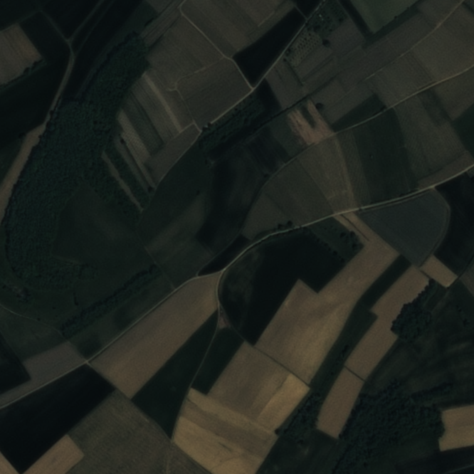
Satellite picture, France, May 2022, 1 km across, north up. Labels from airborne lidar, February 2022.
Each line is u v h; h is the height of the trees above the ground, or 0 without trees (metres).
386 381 0
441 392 16
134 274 0
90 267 11
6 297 0
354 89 0
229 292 0
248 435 0
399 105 0
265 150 0
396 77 0
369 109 0
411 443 0
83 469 0
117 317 0
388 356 0
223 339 0
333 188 0
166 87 0
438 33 0
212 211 0
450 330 0
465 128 0
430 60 0
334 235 0
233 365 0
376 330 0
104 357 0
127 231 0
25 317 0
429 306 0
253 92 0
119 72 14
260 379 0
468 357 0
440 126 0
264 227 0
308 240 0
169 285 0
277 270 0
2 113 0
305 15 0
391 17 0
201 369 0
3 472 0
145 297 0
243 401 0
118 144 0
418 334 14
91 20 0
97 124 14
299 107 0
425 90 0
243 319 0
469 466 0
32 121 0
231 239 0
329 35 0
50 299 0
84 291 0
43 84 0
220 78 0
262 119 0
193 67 0
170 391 0
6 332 0
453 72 0
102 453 0
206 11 0
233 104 0
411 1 0
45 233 16
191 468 0
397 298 0
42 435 0
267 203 0
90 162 13
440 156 0
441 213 0
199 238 0
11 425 0
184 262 0
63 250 0
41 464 0
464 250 0
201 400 0
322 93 0
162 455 0
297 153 0
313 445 0
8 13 0
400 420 18
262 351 0
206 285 0
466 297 0
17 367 0
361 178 0
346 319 0
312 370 0
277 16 0
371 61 0
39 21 0
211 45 0
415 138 0
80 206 0
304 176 0
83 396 0
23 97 0
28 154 0
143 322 0
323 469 0
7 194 0
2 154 0
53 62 0
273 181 0
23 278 23
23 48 0
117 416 0
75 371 0
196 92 0
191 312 0
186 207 0
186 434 0
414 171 0
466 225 0
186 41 0
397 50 0
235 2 0
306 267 0
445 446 0
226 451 0
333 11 0
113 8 0
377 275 0
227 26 0
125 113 0
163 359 0
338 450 0
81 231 0
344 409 0
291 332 0
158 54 0
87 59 0
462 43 0
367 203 0
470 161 0
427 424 8
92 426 0
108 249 0
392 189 0
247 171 0
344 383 0
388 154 0
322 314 0
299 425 18
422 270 0
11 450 0
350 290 0
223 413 0
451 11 0
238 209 0
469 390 0
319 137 0
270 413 0
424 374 0
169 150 0
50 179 18
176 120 0
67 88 0
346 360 0
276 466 0
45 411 0
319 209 0
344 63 0
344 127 0
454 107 0
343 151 0
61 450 0
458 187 0
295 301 0
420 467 0
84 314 14
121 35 0
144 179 0
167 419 0
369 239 0
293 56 0
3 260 0
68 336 13
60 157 22
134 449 0
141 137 0
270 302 0
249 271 0
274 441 0
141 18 0
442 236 0
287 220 0
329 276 0
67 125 22
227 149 0
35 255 10
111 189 11
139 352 0
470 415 0
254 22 0
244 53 0
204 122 0
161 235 0
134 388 0
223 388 0
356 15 0
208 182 0
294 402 0
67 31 0
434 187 0
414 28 0
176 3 0
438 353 0
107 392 0
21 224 21
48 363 0
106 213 0
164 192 0
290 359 0
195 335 0
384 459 0
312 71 0
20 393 0
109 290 0
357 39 0
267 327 0
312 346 0
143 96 0
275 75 0
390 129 0
